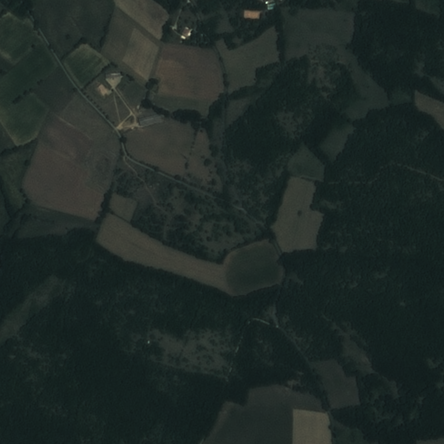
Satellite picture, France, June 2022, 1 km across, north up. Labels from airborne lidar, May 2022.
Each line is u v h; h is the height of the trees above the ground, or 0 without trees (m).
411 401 14
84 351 8
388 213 7
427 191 6
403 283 9
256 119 11
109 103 0
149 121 0
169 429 12
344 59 0
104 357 8
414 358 15
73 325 9
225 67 0
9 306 12
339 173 11
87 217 0
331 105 11
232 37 8
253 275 0
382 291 10
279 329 10
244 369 7
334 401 0
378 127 6
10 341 13
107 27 6
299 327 9
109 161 0
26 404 6
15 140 0
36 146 0
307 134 13
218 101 9
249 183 6
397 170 8
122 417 9
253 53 0
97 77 8
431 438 12
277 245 0
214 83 0
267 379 12
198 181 0
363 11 10
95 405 6
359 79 0
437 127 9
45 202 0
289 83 9
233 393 14
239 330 8
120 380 10
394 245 8
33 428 11
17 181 0
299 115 7
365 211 9
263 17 19
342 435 0
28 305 0
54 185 0
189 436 14
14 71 0
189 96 0
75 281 7
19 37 0
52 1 0
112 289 6
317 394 10
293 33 0
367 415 11
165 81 0
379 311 13
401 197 9
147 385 10
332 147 0
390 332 13
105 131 0
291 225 0
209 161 12
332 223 10
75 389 8
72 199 0
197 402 14
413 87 15
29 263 9
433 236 9
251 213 10
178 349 0
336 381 0
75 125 0
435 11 0
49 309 8
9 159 0
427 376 16
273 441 0
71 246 11
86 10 0
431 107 0
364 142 11
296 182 0
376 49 6
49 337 7
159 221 7
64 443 13
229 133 9
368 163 14
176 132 0
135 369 11
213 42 11
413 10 13
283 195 10
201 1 11
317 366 0
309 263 10
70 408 10
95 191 0
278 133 9
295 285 9
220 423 0
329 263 12
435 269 10
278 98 9
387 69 13
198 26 9
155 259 0
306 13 0
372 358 7
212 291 11
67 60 0
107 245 0
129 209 0
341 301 8
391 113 12
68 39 16
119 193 10
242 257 0
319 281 11
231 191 0
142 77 0
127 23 0
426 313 10
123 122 0
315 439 0
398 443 12
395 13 12
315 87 7
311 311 10
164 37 6
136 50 0
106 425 6
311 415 0
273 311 0
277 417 0
